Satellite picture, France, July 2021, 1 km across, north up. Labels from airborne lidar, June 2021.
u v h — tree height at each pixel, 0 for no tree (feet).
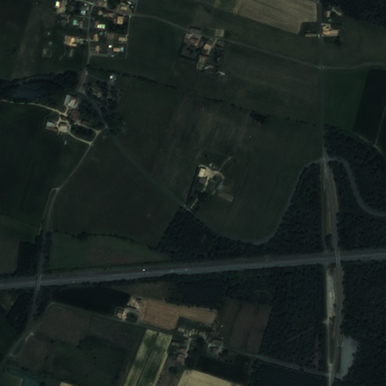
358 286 41
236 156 0
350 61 0
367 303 40
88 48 0
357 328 63
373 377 33
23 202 0
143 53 0
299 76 0
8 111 0
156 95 0
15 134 0
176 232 44
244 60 0
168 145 0
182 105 0
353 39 0
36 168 0
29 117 0
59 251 0
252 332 0
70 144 0
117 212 0
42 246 30
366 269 31
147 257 0
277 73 0
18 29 0
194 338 0
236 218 0
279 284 34
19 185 0
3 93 91
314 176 38
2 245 0
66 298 0
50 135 0
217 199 0
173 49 0
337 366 0
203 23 0
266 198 0
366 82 0
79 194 0
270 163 0
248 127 0
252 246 61
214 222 0
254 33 0
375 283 49
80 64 0
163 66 0
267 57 0
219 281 31
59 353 0
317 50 0
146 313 0
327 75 0
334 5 43
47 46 0
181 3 0
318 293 54
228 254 49
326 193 0
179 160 0
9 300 0
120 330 0
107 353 0
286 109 0
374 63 0
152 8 0
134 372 0
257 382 27
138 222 0
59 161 0
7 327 0
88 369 0
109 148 0
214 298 38
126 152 0
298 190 38
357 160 53
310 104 0
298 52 0
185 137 0
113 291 0
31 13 0
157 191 0
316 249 36
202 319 0
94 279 0
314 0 0
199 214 0
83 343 26
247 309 0
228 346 0
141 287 0
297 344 27
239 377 0
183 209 38
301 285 51
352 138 55
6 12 0
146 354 0
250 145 0
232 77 0
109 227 0
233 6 0
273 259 0
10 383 0
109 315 0
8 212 0
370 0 49
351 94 0
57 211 0
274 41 0
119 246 0
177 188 0
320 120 0
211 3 0
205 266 0
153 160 0
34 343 0
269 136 0
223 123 0
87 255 0
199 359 0
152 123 0
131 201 0
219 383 0
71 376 0
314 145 0
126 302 0
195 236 47
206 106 0
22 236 0
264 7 0
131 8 19
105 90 51
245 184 0
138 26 0
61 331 0
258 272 33
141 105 0
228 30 0
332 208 0
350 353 0
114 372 0
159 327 0
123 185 0
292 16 0
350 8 50
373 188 38
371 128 0
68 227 0
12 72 0
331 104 0
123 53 0
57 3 0
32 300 32
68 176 0
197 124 0
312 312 20
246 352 0
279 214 0
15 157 0
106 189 0
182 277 48
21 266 37
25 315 29
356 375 37
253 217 0
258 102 0
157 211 0
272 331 51
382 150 0
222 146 0
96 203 0
